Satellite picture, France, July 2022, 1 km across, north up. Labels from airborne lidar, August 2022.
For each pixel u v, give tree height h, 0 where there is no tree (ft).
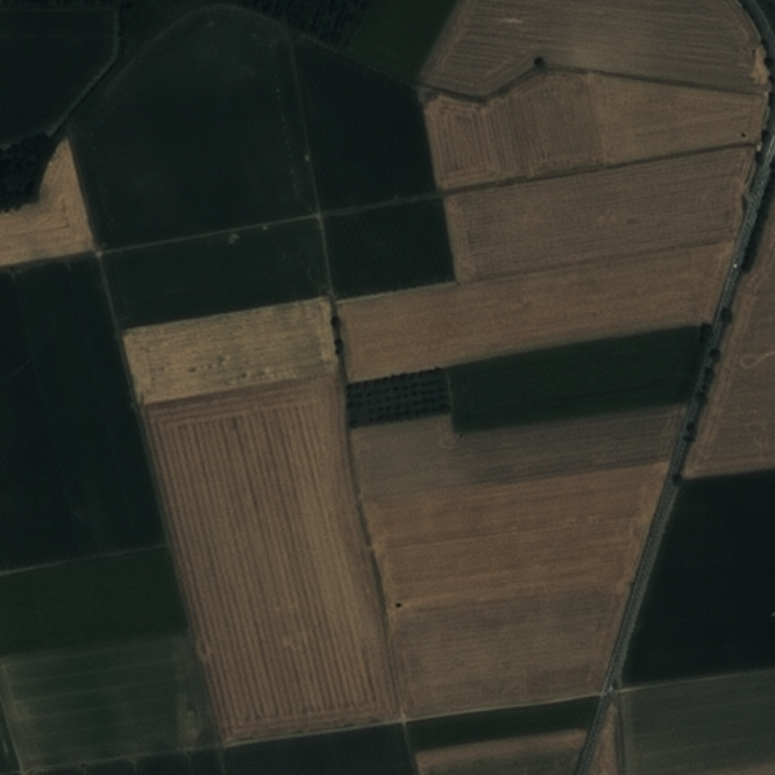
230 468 0
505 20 0
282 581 0
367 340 0
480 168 0
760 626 0
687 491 0
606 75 0
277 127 0
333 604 0
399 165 0
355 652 0
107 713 0
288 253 0
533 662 0
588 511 0
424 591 0
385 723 0
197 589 0
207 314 0
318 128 0
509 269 0
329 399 0
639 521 0
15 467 0
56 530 0
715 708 0
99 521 0
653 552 0
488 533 0
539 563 0
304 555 0
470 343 0
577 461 0
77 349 0
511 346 0
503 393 0
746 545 0
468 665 0
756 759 0
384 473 0
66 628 0
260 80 0
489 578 0
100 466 0
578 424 0
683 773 0
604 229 0
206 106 0
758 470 0
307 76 0
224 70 0
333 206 0
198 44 0
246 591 0
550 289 0
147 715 0
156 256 0
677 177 0
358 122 0
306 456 0
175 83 0
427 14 0
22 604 0
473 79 0
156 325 0
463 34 0
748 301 0
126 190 0
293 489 0
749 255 31
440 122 0
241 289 0
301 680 0
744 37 0
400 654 0
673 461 0
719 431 0
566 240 0
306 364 0
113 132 0
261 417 0
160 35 0
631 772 0
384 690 0
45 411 0
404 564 0
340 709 0
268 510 0
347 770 0
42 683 0
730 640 0
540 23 0
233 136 0
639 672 0
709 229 0
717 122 0
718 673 0
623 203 0
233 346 0
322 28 29
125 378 0
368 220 0
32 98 0
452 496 0
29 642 0
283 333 0
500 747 0
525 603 0
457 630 0
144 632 0
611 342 0
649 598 0
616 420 0
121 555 0
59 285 0
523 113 0
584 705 0
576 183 0
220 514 0
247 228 0
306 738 0
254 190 0
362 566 0
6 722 0
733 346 0
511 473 0
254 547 0
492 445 0
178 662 0
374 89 0
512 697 0
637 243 0
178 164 0
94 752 0
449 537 0
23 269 0
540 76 0
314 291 0
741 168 0
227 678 0
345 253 0
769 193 31
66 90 0
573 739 0
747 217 0
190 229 0
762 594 0
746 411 0
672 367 0
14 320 0
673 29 0
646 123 0
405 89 0
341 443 0
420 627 0
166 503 0
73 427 0
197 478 0
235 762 0
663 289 0
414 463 0
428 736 0
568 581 0
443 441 0
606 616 0
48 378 0
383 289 0
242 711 0
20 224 0
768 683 0
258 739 0
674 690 0
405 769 0
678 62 0
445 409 30
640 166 0
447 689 0
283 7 36
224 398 0
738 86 0
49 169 0
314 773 0
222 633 0
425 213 0
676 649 0
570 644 0
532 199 0
